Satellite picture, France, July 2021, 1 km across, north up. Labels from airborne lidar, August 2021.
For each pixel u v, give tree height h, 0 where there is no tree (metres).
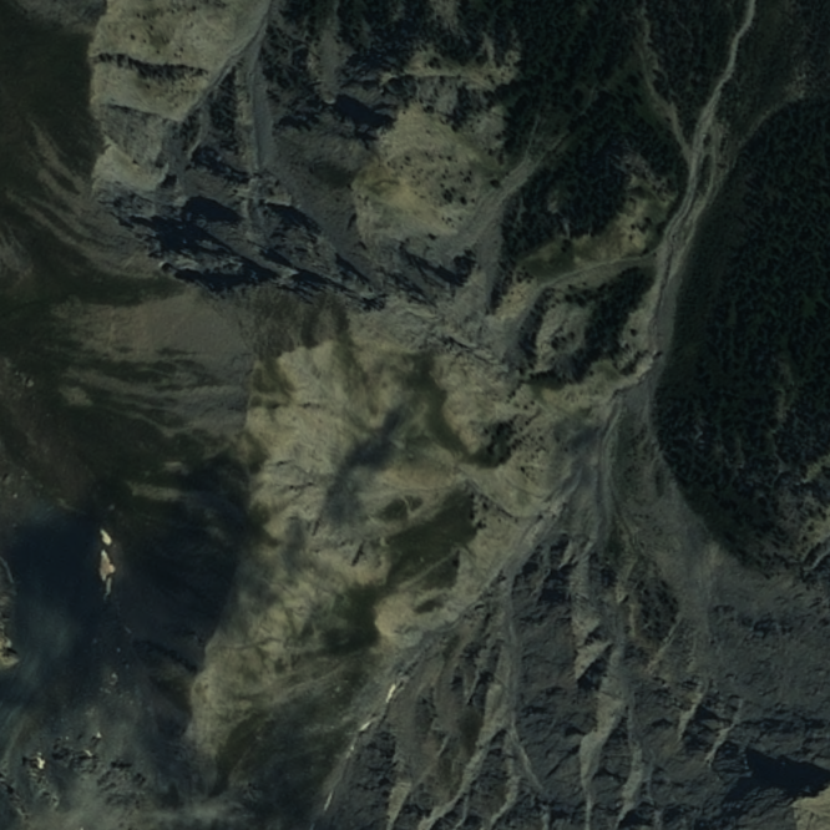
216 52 0
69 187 0
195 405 0
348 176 0
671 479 0
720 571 0
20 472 0
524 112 25
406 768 0
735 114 6
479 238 0
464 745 0
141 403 0
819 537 0
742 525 17
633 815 0
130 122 0
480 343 0
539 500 0
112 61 0
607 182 14
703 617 0
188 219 0
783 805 0
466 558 0
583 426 0
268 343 0
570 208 6
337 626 0
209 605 0
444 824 0
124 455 0
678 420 11
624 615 0
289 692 0
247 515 0
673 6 20
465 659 0
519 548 0
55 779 0
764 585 0
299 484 0
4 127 0
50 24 0
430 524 0
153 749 0
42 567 0
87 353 0
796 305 30
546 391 0
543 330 0
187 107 0
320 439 0
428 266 0
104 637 0
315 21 12
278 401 0
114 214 0
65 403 0
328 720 0
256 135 0
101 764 0
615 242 0
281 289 0
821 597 0
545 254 0
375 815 0
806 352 25
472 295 0
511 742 0
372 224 0
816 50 8
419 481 0
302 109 0
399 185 0
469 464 0
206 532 0
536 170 0
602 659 0
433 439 0
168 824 0
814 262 23
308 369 0
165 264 0
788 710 0
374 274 0
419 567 0
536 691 0
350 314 0
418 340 0
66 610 0
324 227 0
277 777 0
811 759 0
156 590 0
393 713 0
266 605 0
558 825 0
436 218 0
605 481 0
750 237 9
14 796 0
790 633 0
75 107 0
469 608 0
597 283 0
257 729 0
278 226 0
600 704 0
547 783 0
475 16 12
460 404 0
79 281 0
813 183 9
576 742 0
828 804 0
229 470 0
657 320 0
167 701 0
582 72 17
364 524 0
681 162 7
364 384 0
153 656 0
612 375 0
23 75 0
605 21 18
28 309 0
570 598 0
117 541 0
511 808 0
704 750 0
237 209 0
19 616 0
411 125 0
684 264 0
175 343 0
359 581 0
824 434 12
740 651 0
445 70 0
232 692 0
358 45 17
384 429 0
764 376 16
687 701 0
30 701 0
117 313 0
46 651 0
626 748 0
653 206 0
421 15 13
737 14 6
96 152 0
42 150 0
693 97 7
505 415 0
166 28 0
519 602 0
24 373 0
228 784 0
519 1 23
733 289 8
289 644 0
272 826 0
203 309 0
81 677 0
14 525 0
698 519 0
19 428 0
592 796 0
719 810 0
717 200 0
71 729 0
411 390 0
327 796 0
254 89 0
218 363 0
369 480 0
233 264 0
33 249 0
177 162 0
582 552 0
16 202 0
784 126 10
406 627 0
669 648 0
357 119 0
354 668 0
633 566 0
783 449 13
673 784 0
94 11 0
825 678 0
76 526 0
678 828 0
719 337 20
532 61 25
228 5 0
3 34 0
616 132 20
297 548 0
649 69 0
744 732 0
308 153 0
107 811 0
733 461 6
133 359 0
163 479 0
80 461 0
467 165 0
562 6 18
